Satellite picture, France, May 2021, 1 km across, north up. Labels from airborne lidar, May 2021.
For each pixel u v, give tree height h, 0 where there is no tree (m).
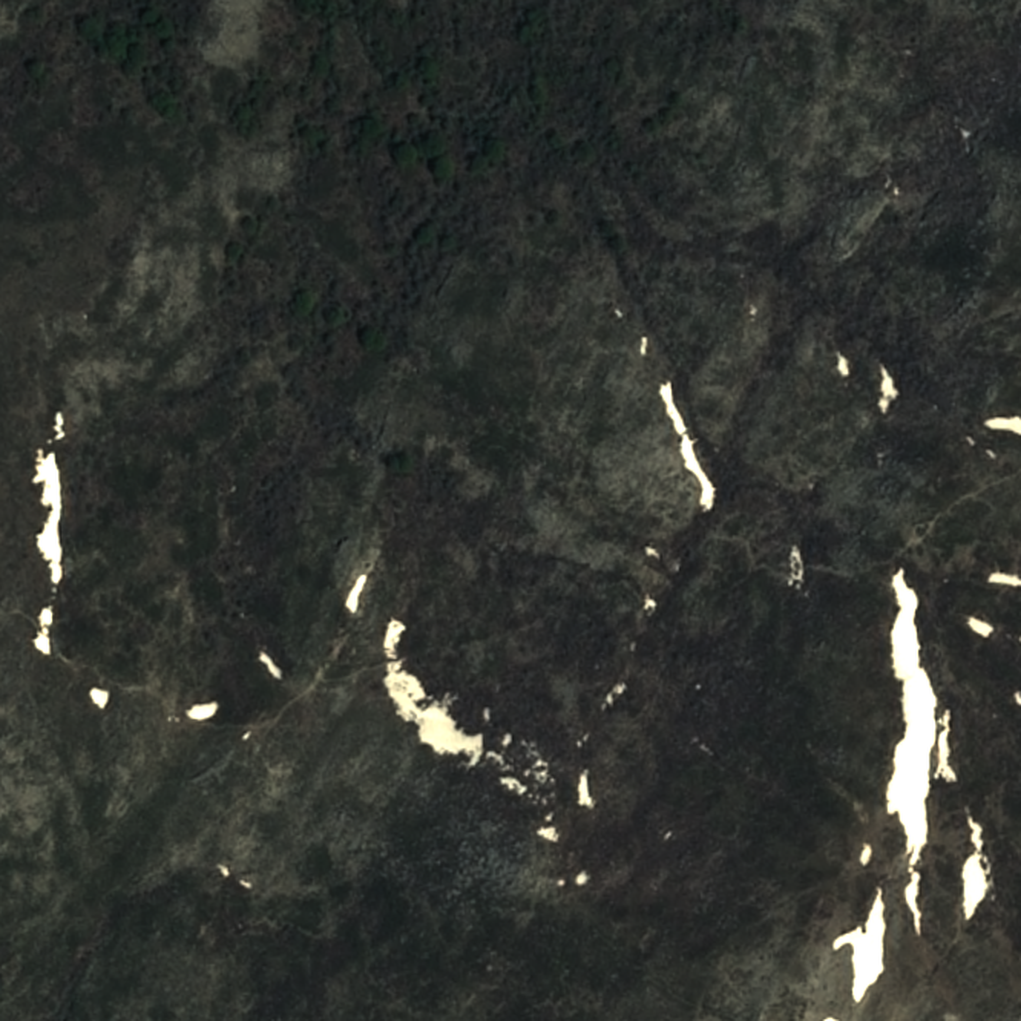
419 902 0
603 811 0
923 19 8
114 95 7
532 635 0
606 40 8
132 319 0
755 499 0
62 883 0
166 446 0
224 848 0
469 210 10
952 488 0
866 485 0
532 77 13
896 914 0
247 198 0
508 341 0
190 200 0
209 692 0
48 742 0
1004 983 0
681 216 7
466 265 0
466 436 0
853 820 0
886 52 0
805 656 0
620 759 0
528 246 0
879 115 0
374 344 14
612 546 0
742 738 0
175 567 0
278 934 0
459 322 0
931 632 0
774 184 0
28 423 0
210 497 0
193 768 0
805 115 0
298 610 0
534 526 0
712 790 0
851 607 0
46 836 0
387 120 13
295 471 7
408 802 0
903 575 0
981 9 0
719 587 0
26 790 0
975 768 0
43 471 0
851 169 0
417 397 0
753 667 0
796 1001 0
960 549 0
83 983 0
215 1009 0
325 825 0
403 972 0
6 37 0
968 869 0
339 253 0
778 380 0
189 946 0
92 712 0
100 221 0
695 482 0
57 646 0
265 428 0
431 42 10
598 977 0
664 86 0
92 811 0
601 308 0
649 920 0
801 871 0
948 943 0
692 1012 0
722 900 0
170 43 15
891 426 0
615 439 0
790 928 0
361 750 0
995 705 0
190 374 0
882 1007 0
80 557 0
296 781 0
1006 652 0
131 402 0
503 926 0
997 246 0
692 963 0
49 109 0
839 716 0
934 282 0
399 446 9
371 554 0
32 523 0
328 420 9
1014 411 0
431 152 20
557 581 0
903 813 0
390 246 11
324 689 0
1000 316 0
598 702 0
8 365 0
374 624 0
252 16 0
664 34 8
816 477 0
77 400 0
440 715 0
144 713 0
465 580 0
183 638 0
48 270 0
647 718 0
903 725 0
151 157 0
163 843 0
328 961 0
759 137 0
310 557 0
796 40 0
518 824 0
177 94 14
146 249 0
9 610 0
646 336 0
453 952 0
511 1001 0
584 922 0
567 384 0
